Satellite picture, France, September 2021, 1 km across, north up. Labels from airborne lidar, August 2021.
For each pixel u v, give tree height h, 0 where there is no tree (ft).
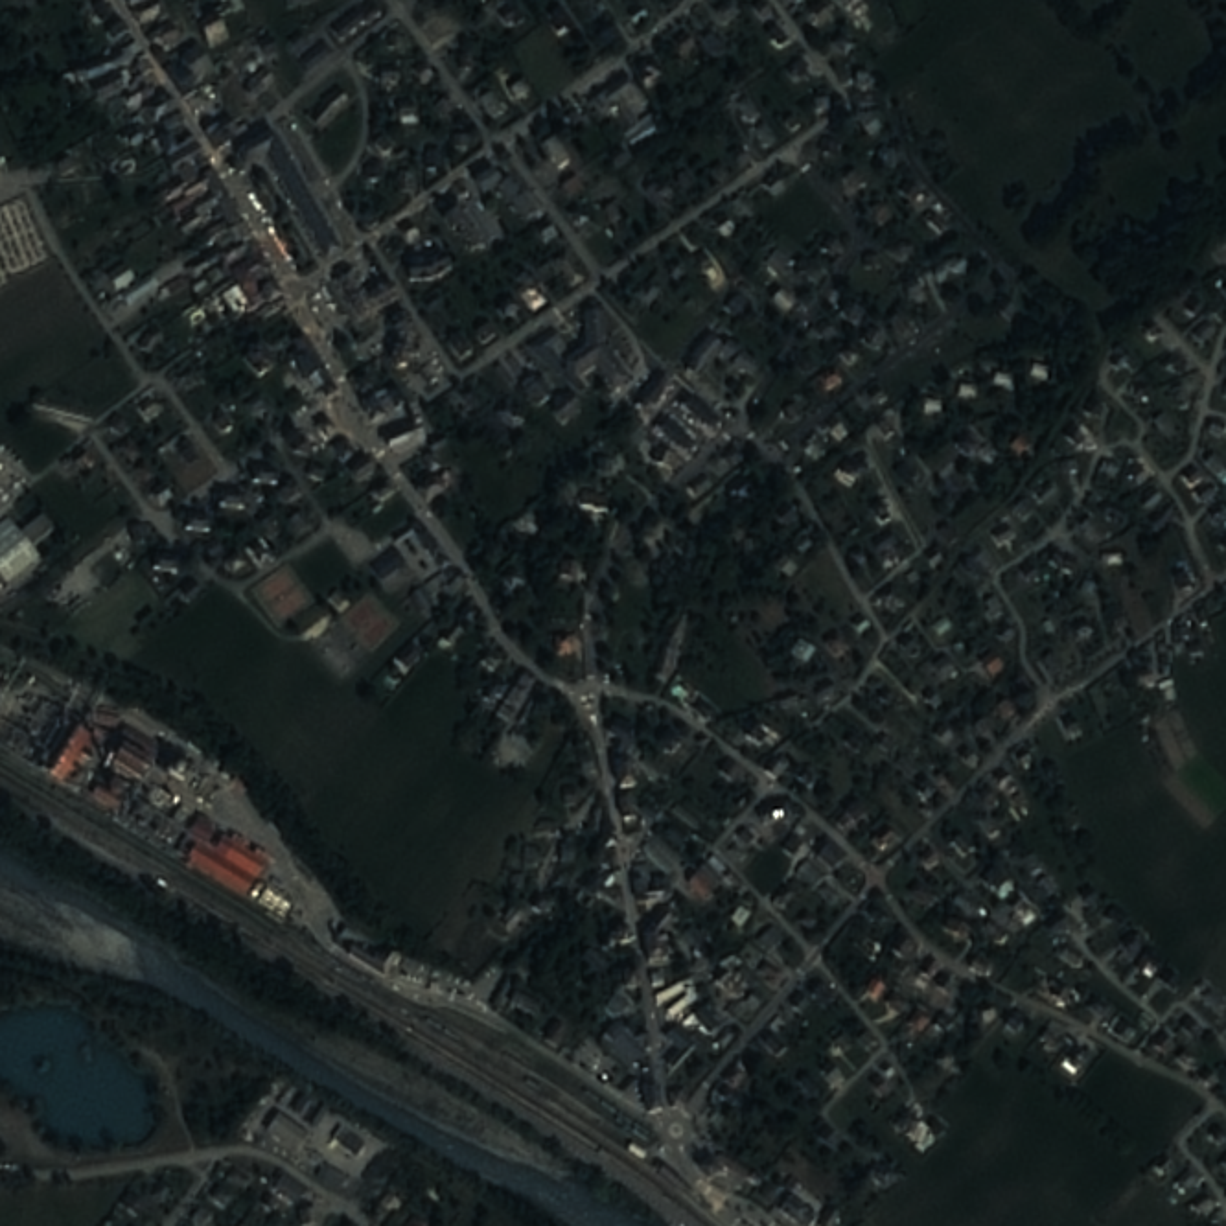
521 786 31
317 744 0
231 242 0
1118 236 24
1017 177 0
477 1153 0
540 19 17
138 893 33
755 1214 0
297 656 0
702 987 30
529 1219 52
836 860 0
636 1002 21
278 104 0
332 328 0
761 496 65
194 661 0
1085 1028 0
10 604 0
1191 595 0
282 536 18
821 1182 0
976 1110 0
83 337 0
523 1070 0
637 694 0
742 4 20
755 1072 50
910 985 0
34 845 37
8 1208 0
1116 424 0
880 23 0
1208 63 0
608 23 18
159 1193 0
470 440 47
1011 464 26
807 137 0
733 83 23
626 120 0
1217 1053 0
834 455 20
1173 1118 0
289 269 0
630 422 40
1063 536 0
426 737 0
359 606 0
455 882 0
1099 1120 39
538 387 0
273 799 53
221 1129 43
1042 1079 29
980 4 0
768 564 35
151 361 32
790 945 25
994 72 0
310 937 0
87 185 0
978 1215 0
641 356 0
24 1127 0
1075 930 0
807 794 54
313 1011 61
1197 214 62
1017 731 0
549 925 33
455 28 0
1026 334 54
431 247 0
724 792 24
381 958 0
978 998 40
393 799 0
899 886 0
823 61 0
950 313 0
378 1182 0
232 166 25
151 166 0
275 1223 21
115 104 0
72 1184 39
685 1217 0
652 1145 0
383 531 0
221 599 0
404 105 0
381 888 0
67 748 0
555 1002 25
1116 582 0
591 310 0
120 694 37
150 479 20
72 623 0
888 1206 0
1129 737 0
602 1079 20
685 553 50
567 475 56
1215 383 0
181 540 0
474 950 0
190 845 0
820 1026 0
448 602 47
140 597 0
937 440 35
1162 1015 0
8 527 0
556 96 0
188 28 0
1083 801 0
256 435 27
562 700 43
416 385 0
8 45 45
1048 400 32
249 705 0
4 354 0
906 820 0
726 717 21
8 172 0
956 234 25
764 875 0
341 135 0
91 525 0
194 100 0
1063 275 0
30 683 0
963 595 27
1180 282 44
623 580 40
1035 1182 0
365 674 0
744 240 18
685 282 30
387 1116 0
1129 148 60
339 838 0
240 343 25
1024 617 0
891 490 0
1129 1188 0
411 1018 0
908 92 0
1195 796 0
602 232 0
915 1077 22
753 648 23
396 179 21
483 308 26
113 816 0
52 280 0
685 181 0
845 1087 0
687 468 0
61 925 0
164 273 0
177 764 0
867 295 22
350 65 0
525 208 0
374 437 0
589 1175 45
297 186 0
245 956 49
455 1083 34
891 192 25
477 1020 0
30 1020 0
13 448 0
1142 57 0
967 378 25
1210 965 0
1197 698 0
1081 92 0
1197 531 0
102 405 0
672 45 20
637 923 0
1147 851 0
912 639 0
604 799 21
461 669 24
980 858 20
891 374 0
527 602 36
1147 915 0
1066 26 52
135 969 0
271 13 0
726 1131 21
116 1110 0
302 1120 0
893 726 0
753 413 33
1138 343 0
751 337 0
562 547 30
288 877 0
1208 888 0
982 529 0
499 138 0
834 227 0
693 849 30
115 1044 29
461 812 0
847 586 0
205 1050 0
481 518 36
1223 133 0
